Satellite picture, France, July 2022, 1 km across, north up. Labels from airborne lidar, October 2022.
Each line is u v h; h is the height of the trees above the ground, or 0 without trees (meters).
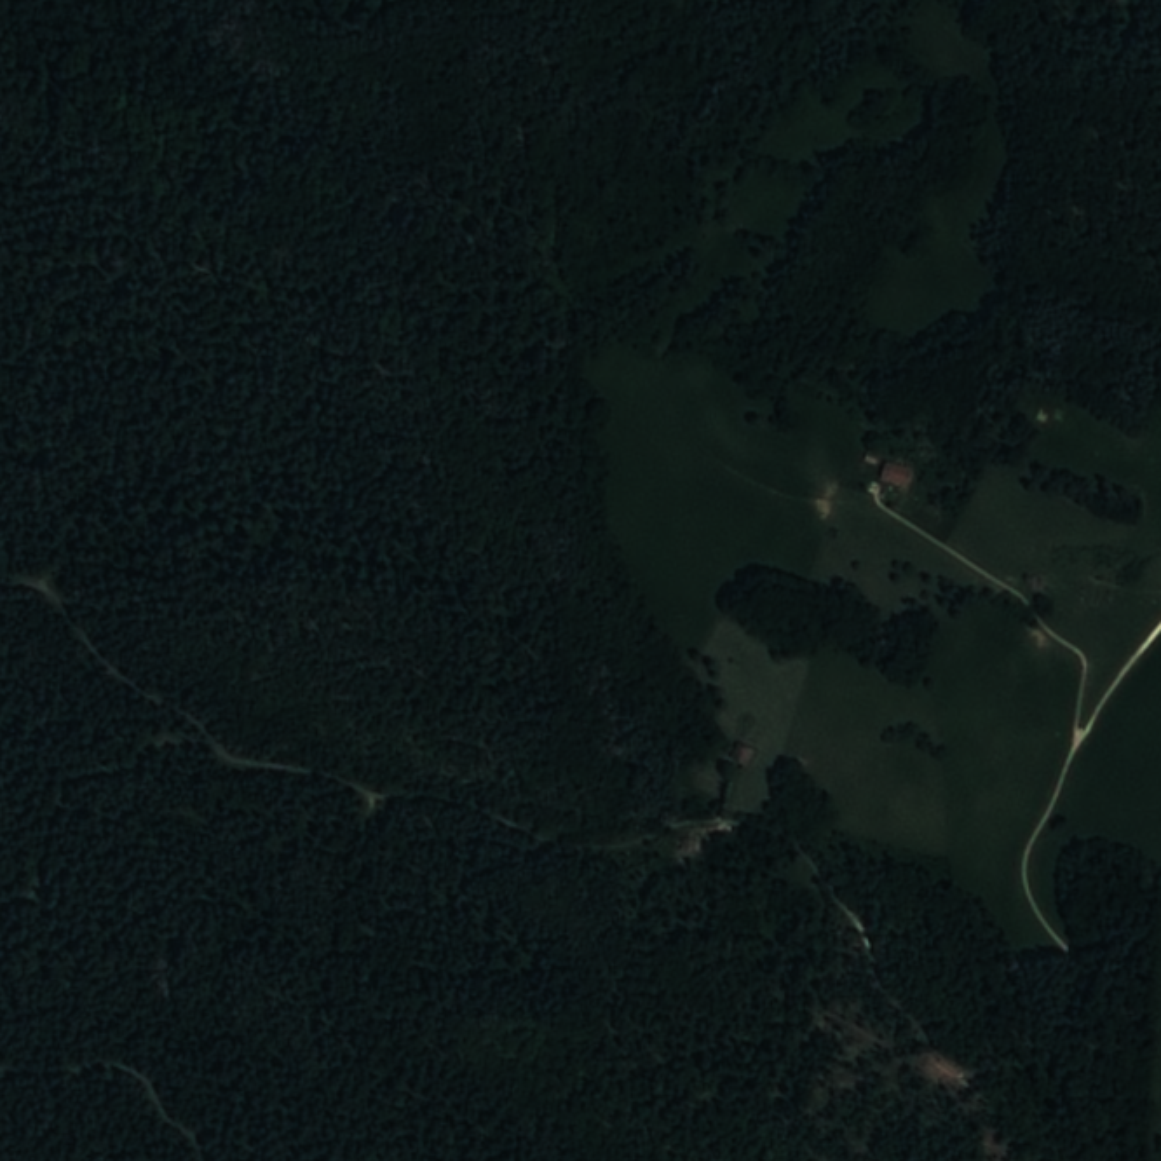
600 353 13
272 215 32
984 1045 24
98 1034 22
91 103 25
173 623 12
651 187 8
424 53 25
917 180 20
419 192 34
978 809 0
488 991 19
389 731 11
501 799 18
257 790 14
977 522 0
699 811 14
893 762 0
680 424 0
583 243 10
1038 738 0
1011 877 0
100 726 21
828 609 15
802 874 0
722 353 8
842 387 15
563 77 17
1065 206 28
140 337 29
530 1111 20
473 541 20
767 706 0
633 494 0
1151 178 23
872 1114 20
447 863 22
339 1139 22
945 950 23
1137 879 7
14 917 25
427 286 30
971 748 0
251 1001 21
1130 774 0
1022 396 13
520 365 31
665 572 0
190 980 20
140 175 29
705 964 17
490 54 29
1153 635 0
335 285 11
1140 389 25
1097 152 21
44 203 22
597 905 20
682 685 25
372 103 20
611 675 6
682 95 7
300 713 9
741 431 0
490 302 31
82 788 24
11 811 25
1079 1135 34
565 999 16
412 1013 21
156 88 32
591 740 24
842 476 0
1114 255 24
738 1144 17
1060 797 0
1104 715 0
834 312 16
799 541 0
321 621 16
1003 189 10
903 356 21
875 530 0
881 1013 16
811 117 0
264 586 23
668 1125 19
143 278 7
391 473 29
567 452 29
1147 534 0
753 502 0
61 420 27
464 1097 26
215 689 16
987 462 21
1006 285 23
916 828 0
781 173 8
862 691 0
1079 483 19
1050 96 17
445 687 22
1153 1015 22
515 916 23
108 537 8
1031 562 0
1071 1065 35
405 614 22
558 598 24
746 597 25
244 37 24
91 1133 20
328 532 35
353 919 16
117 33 11
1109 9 26
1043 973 30
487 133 19
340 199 27
